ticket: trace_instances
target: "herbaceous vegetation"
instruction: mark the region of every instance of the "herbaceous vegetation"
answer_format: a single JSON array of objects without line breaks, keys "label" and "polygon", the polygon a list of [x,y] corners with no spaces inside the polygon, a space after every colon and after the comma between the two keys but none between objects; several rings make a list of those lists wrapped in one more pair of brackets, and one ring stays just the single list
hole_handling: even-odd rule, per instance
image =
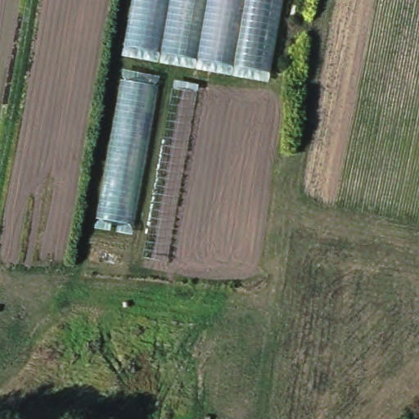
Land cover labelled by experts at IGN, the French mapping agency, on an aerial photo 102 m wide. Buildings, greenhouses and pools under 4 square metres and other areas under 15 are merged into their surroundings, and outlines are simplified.
[{"label": "herbaceous vegetation", "polygon": [[[365,198],[358,198],[357,203],[354,203],[350,195],[345,196],[344,200],[322,201],[319,196],[309,195],[304,188],[309,146],[319,124],[321,69],[331,34],[332,13],[336,7],[336,0],[283,0],[270,79],[267,82],[260,82],[241,79],[234,75],[213,74],[205,70],[124,57],[123,44],[128,28],[131,0],[118,0],[98,119],[98,136],[93,146],[92,164],[88,170],[82,226],[75,247],[75,262],[65,267],[62,260],[44,267],[25,267],[3,262],[0,255],[0,396],[16,390],[26,391],[28,394],[21,401],[20,408],[15,411],[16,416],[23,419],[399,419],[399,417],[403,416],[404,414],[404,408],[408,408],[409,404],[411,404],[412,401],[414,401],[414,399],[417,398],[417,396],[419,396],[419,214],[408,213],[404,209],[401,211],[391,205],[386,209],[380,209],[375,201],[367,201]],[[144,229],[142,213],[147,205],[147,191],[152,169],[155,167],[157,142],[160,115],[164,105],[164,88],[167,87],[167,83],[173,85],[175,80],[183,80],[196,83],[198,87],[205,87],[223,85],[264,88],[280,97],[280,72],[288,69],[293,62],[290,54],[286,52],[286,47],[295,44],[300,31],[308,33],[309,47],[306,52],[308,72],[303,75],[301,82],[293,83],[293,90],[303,98],[298,108],[300,134],[296,137],[295,151],[291,152],[291,155],[285,155],[278,149],[273,157],[272,177],[268,185],[265,218],[267,228],[264,229],[260,246],[259,265],[250,277],[241,280],[213,280],[183,277],[175,273],[173,283],[139,283],[139,291],[126,288],[101,290],[93,286],[97,277],[82,277],[82,264],[90,254],[90,239],[95,229],[101,182],[105,172],[106,154],[123,69],[159,75],[151,136],[147,144],[146,165],[142,172],[141,190],[131,224],[133,229]]]}]

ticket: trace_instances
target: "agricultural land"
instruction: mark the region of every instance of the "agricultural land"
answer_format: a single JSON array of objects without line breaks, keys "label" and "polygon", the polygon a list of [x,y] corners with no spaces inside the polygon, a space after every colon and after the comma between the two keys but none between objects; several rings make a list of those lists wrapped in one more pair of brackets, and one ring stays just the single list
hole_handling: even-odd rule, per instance
[{"label": "agricultural land", "polygon": [[322,201],[344,200],[345,196],[350,195],[354,203],[357,203],[358,198],[365,198],[367,201],[375,201],[380,209],[386,209],[391,205],[401,211],[404,209],[408,213],[419,214],[419,0],[336,0],[336,7],[332,13],[331,34],[321,69],[319,124],[309,146],[304,188],[309,195],[319,196]]},{"label": "agricultural land", "polygon": [[79,180],[80,154],[85,141],[88,105],[92,98],[93,80],[100,54],[101,28],[105,23],[108,0],[0,0],[0,255],[3,262],[25,267],[44,267],[62,260]]},{"label": "agricultural land", "polygon": [[268,185],[272,177],[273,157],[278,149],[278,137],[282,126],[280,97],[264,88],[223,85],[205,87],[205,95],[201,98],[196,118],[196,136],[188,136],[188,146],[173,144],[172,136],[165,136],[157,142],[155,167],[152,169],[147,191],[147,205],[142,213],[144,229],[133,229],[133,234],[119,234],[118,226],[111,223],[108,231],[95,229],[90,239],[90,254],[82,264],[82,277],[97,277],[93,286],[101,290],[126,288],[139,291],[139,283],[173,283],[175,273],[183,277],[213,280],[241,280],[250,277],[259,265],[260,246],[264,229],[267,228],[265,218]]}]

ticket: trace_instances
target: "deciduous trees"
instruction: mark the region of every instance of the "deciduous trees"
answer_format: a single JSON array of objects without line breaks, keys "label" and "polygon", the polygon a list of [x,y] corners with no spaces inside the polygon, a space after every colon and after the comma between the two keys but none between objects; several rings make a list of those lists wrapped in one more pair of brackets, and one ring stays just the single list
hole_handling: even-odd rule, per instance
[{"label": "deciduous trees", "polygon": [[167,83],[167,87],[164,88],[164,105],[160,115],[157,142],[165,136],[172,136],[173,144],[188,146],[188,136],[196,136],[196,118],[201,98],[205,95],[205,87],[198,87],[196,83],[183,80],[175,80],[173,85]]},{"label": "deciduous trees", "polygon": [[20,408],[21,401],[28,394],[26,391],[16,390],[0,396],[0,419],[23,419],[16,416],[15,411]]}]

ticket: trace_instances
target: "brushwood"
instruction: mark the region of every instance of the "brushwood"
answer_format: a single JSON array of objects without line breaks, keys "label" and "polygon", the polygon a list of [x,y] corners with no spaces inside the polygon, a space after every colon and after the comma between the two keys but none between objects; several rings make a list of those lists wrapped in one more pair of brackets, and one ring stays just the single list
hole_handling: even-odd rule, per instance
[{"label": "brushwood", "polygon": [[417,398],[414,399],[414,401],[412,401],[411,404],[409,404],[408,408],[404,408],[404,414],[403,416],[399,417],[399,419],[419,419],[419,396],[417,396]]},{"label": "brushwood", "polygon": [[105,23],[101,28],[100,54],[93,80],[92,98],[88,105],[85,141],[80,154],[79,180],[62,260],[65,267],[75,262],[75,247],[82,226],[88,170],[92,164],[93,146],[98,136],[98,119],[118,0],[108,0]]},{"label": "brushwood", "polygon": [[278,137],[278,149],[285,155],[291,155],[291,152],[295,151],[296,137],[300,134],[298,108],[303,98],[293,90],[293,83],[301,82],[303,75],[308,72],[306,52],[309,47],[308,33],[300,31],[295,44],[286,47],[286,52],[290,54],[293,62],[288,69],[280,72],[280,97],[282,126]]}]

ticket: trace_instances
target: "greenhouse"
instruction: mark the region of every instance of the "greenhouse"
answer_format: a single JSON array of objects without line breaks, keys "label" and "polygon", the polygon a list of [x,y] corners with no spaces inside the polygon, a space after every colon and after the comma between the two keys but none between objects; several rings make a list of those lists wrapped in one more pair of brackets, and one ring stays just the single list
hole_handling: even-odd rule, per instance
[{"label": "greenhouse", "polygon": [[123,44],[124,57],[205,70],[213,74],[234,75],[241,79],[260,82],[267,82],[270,79],[283,0],[131,0],[128,28]]},{"label": "greenhouse", "polygon": [[131,224],[141,190],[142,172],[146,165],[147,144],[151,136],[159,75],[123,69],[106,154],[105,172],[101,182],[95,229],[108,231],[111,223],[118,226],[119,234],[133,234],[133,229]]}]

